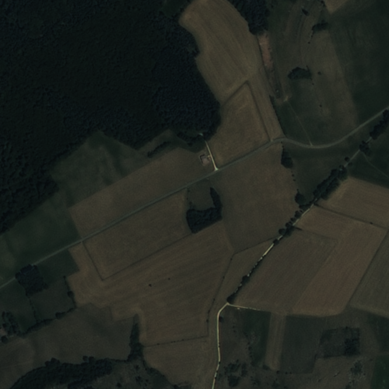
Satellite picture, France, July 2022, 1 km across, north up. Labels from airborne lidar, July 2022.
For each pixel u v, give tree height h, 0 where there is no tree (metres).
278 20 0
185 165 0
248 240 0
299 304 0
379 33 0
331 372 0
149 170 0
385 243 0
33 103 11
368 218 0
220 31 0
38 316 7
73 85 11
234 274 0
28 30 26
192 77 21
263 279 0
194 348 0
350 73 0
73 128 17
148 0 18
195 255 0
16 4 19
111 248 0
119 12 11
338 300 0
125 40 14
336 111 0
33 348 0
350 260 0
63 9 26
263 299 0
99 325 0
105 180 0
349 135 0
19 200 29
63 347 0
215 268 0
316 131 0
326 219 0
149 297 0
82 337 0
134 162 0
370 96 0
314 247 0
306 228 0
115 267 0
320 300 0
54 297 0
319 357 0
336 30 0
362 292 0
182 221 0
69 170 0
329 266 0
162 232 0
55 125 11
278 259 0
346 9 0
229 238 0
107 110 21
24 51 14
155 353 0
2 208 32
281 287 0
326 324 0
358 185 0
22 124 7
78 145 15
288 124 0
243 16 14
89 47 11
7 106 10
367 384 0
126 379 0
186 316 0
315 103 0
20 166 27
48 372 5
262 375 0
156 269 0
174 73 23
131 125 23
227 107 0
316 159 0
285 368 0
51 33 20
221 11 0
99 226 0
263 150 0
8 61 24
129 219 0
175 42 27
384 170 0
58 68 11
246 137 0
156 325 0
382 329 0
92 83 13
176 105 23
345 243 0
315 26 6
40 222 0
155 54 23
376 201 0
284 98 0
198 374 0
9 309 0
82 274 0
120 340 0
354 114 0
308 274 0
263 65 0
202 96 25
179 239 0
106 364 19
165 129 6
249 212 0
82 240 0
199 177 0
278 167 0
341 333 0
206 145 0
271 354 0
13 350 0
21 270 0
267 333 0
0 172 26
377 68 0
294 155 0
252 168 0
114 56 10
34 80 12
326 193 18
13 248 0
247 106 0
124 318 0
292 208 0
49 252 0
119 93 14
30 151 10
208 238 0
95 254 0
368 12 0
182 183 0
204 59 0
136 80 11
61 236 0
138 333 8
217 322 0
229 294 0
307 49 0
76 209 0
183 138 24
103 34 12
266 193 0
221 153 0
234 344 0
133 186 0
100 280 0
